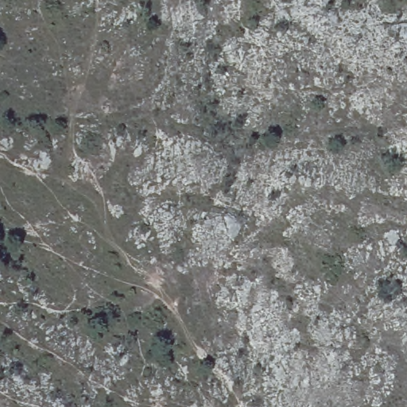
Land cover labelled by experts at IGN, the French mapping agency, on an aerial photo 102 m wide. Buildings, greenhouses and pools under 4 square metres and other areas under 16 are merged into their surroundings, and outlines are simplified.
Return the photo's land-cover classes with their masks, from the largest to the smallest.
<instances>
[{"label":"bare soil","instance_id":"1","mask_svg":"<svg viewBox=\"0 0 407 407\"><path fill-rule=\"evenodd\" d=\"M118 2L126 8L103 14L99 24H95L92 30L91 49L86 64L81 68L68 67L75 75L87 76V83L68 87L67 94L62 100L65 116L57 118L59 124L68 122V126H75L76 118H94L92 124H79L76 140H73L70 146L75 167L70 175L73 181L83 180L91 183L95 191L103 194L105 191L100 186V180L110 170L113 162L130 170L127 181L134 184L135 191L140 192L145 200L140 210L145 223L138 224V221H134L135 229L129 231L126 242L118 245L116 251L122 261L126 262L127 267L148 280L138 291L143 296L154 297L169 308L180 324L189 347L197 351V358L205 359L207 366L213 367L216 377L221 380V388H216L215 385L208 393L218 397L224 404L229 399V394H232L238 407H407V164L396 172V175L391 176L385 172L386 164L382 153L396 149L407 162V0H270L267 6L275 8V11L267 14L266 19L259 22V29H245L243 37L229 38L215 60L205 51L207 41L216 35V27L219 24H229L231 19L238 21L242 17V0H81L73 5V16L92 5H95V11L102 10L103 6L116 5ZM203 73H211V79L215 83L210 95L213 99L219 100V114H231V118L240 122L242 126L245 124L246 127H250L253 130L251 138H259V134L267 132L270 126H280L281 140L277 149L262 151L258 143H254L251 149L235 151V156L240 157L242 164L238 169L235 183L226 196L223 192H216L213 200L215 205L211 207V211L183 210L184 202H178V196L186 192L205 196L213 184L223 183L227 161L219 159L216 151L218 143L208 145L207 141L194 140L191 135L186 134L181 137L165 135L157 126L154 108H173L175 114H172V118L176 122L202 126L196 121L200 111L194 108L188 99L186 86H176L173 75H180L183 83L196 87L197 84L203 83ZM326 253H340L343 256L345 270L340 275L337 285H329L326 281L321 264ZM390 272L396 275V285H402V293L397 294L390 302H385L378 297V286L390 285V280L386 278ZM13 148V138L0 140V159H5L8 164L21 169L25 175L35 176L40 181L45 180L46 169L51 164V159L45 151L38 148L37 138H32L25 141L21 156L13 161L6 151ZM54 224V219L27 223L24 229L25 234L32 237H48V227ZM35 272L29 267L22 266L21 270L8 269L0 262V332L5 335L14 334L33 350L51 353L56 361L65 364H70L75 356H79L84 366L94 367L92 374L87 378L91 397L97 396V390L100 388L110 394L111 382L124 380L126 374L118 367L126 366L129 358L126 355L118 361L114 358L116 353L122 350V345H118L107 347V358H97L86 332L78 329L76 324H70V307L65 305V308L57 310L54 308V302H46V294L40 293V288H32ZM22 362H17V350L0 359V407H64L60 399H52L54 383L49 382V374L46 372L40 375L41 385L37 386L33 380L25 383L19 377ZM124 401L129 402L132 407H164L165 399L161 385L154 382L153 378H148L126 391Z\"/></svg>","mask_w":407,"mask_h":407},{"label":"herbaceous vegetation","instance_id":"2","mask_svg":"<svg viewBox=\"0 0 407 407\"><path fill-rule=\"evenodd\" d=\"M81 0H0V113L6 116V111L13 110L17 118H21V122L46 121V116L57 118L65 116L62 100L67 94L68 87L87 83V76L75 75L68 67L81 68L86 64L91 49L92 30L95 24H99L103 14L126 8L118 2L116 5L103 6L102 10L95 11V5H92L73 16V5ZM94 118H76L75 126H68L62 134L52 138L51 148L45 151L51 159V164L46 169L45 180L40 181L35 176L25 175L21 169L8 164L5 159H0V223L3 224L5 231L24 229L27 223L54 219V224L48 227V237H32L25 234L24 245L27 246V253L24 254L22 266L29 267L35 272L32 288H40V293L46 294V302H54V308L57 310L65 308V305L70 307V324H76L78 329L86 332L97 358H107V347L118 345H122V350L116 353L114 358L118 361L126 355L129 358L126 366L118 367L126 374L124 380L111 382L110 394L100 388L97 390V396L91 397L87 402L91 407H132L129 402L124 401L126 391L148 378H153L154 382L161 385L165 399L164 407H238L232 394H229V399L224 404L218 397L208 393L215 385L216 388H221V380L216 377L213 367L207 366L205 359L197 358V351L189 347L180 324L169 308L154 297L143 296L138 291L148 280L127 267L126 262L122 261L116 251L118 245L126 242L129 231L135 229L134 221H138V224L145 223L140 210L145 200L140 192L135 191L134 184L127 181L130 170L113 162L110 170L100 180V186L105 191L103 194L95 191L91 183L83 180L73 181L70 175L75 167L70 146L73 140H76L79 124H92ZM164 329L172 331L175 339V362H172L170 367L159 366L157 362L146 358L141 347L145 340L151 342L156 332Z\"/></svg>","mask_w":407,"mask_h":407},{"label":"brushwood","instance_id":"3","mask_svg":"<svg viewBox=\"0 0 407 407\"><path fill-rule=\"evenodd\" d=\"M270 0H242V17L238 21L231 19L229 24H219L216 27V35L207 41L205 51L215 60L229 38L243 37L245 29H259V22L266 19L267 14L275 11V8L267 6ZM176 86H186L188 99L194 108L200 111L196 121L202 126L176 122L172 118V114H175L173 108H154L157 126L165 135L181 137L186 134L191 135L194 140L207 141L208 145L218 143L216 151L219 159L227 161L223 183L213 184L205 196L186 192L178 196V202H184L183 210L211 211V207L215 205L213 200L216 192H223L226 196L235 183L238 169L242 164L240 157L235 156V151L251 149L254 143H258L262 151L277 149L281 140L280 126H270L267 132L259 134V138H251L253 130L250 127H246L245 124L242 126L240 122L231 118V114H219V100L213 99L210 95L215 83L211 79V73H203V83L197 84L196 87L183 83L180 75H173ZM68 126V122L59 124L57 118L46 116V121L21 122V118H17L13 110L6 111V116L0 113V140L13 138V148L6 151L13 161L21 156L25 141L32 138H37L38 148L45 151L51 148L52 138L62 134ZM386 164L385 172L391 176L396 175V172L407 164V162L396 149L382 153ZM321 264L326 281L329 285H337L340 275L345 270L343 256L340 253H326ZM386 278L390 280V285L378 286V297L385 302H390L397 294L402 293V285H396V275L390 272ZM175 339L172 331L164 329L156 332L151 342L145 340L141 347L146 358L157 362L159 366L170 367L172 362H175ZM17 350V362H22L19 377L25 383L33 380L37 386L41 385L40 375L46 372L49 374V382L54 383L52 399H60L64 407H91L87 402L91 397L87 378L92 374L94 367L84 366L79 356H75L70 364H65L56 361L51 353L33 350L14 334L5 335L0 332V359Z\"/></svg>","mask_w":407,"mask_h":407},{"label":"coniferous trees","instance_id":"4","mask_svg":"<svg viewBox=\"0 0 407 407\"><path fill-rule=\"evenodd\" d=\"M25 234L24 229L5 231L3 224L0 223V262L8 269L21 270L22 266L24 254L27 253V246L24 245Z\"/></svg>","mask_w":407,"mask_h":407}]
</instances>
